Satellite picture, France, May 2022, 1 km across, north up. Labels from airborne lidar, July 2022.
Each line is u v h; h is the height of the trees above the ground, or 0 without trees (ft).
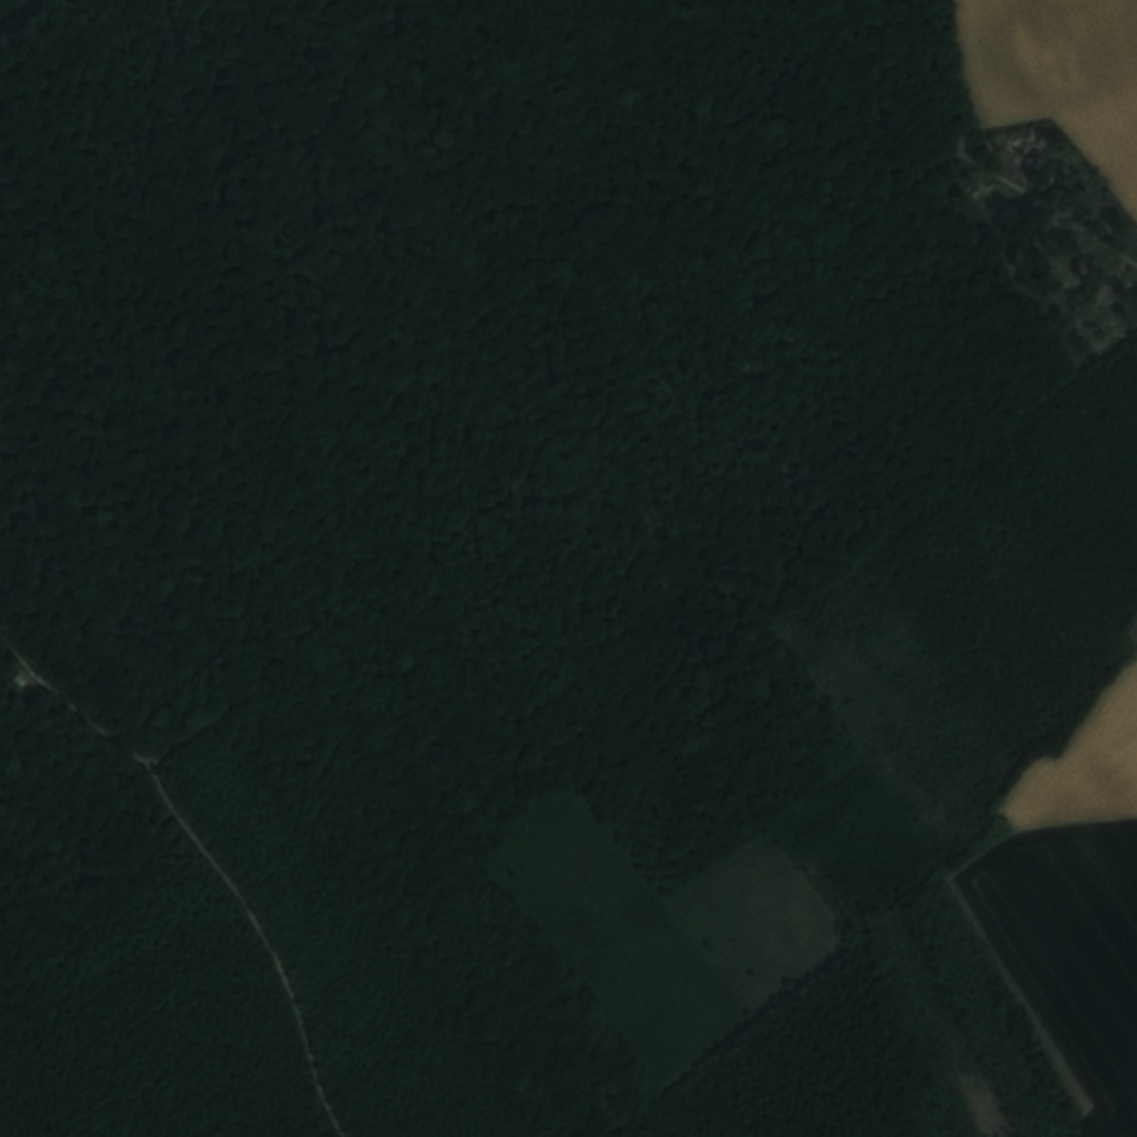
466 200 76
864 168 82
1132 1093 0
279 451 92
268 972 52
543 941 71
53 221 58
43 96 96
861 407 89
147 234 98
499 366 88
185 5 96
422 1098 52
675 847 87
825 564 100
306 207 95
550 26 77
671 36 90
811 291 76
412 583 74
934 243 62
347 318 80
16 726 71
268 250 92
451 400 81
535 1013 79
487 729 84
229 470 79
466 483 84
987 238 87
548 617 91
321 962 51
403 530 84
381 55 106
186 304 94
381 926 86
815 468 95
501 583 70
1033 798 0
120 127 87
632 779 69
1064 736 38
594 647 71
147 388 94
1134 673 0
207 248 110
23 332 101
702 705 82
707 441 70
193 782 58
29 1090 61
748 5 96
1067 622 35
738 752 54
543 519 99
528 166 94
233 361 94
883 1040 70
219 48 100
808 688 77
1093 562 38
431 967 81
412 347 77
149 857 78
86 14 64
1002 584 34
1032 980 0
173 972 61
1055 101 0
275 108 96
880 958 98
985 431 68
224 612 81
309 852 53
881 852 21
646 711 71
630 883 0
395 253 95
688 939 0
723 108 96
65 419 84
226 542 81
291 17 96
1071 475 34
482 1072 74
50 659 82
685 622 89
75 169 78
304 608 84
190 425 88
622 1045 97
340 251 102
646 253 83
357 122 111
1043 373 70
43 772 88
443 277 93
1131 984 0
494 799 72
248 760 60
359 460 87
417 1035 53
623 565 71
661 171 87
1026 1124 91
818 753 87
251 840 53
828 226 100
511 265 95
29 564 78
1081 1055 0
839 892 18
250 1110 55
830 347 84
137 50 88
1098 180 73
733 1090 60
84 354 59
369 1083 55
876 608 18
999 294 89
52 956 63
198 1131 58
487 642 74
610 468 82
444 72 89
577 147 80
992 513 35
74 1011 58
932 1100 67
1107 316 0
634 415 76
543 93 93
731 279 67
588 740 81
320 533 65
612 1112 83
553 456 80
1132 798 0
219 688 85
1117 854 0
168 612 95
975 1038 90
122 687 80
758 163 55
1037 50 0
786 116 96
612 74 84
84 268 101
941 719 22
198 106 86
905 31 78
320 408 75
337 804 87
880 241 70
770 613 57
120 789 88
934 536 35
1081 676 32
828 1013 63
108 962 57
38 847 82
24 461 85
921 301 67
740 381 89
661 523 87
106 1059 62
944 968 96
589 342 96
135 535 82
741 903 0
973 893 0
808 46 81
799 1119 62
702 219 82
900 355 80
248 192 94
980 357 89
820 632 24
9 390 77
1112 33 0
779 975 0
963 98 51
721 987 0
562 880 0
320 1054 53
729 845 61
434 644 86
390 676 88
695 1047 0
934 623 30
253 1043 60
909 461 102
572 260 79
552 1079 87
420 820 77
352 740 70
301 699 78
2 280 94
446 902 78
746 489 90
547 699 74
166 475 83
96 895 91
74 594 91
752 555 89
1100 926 0
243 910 48
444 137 101
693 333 83
